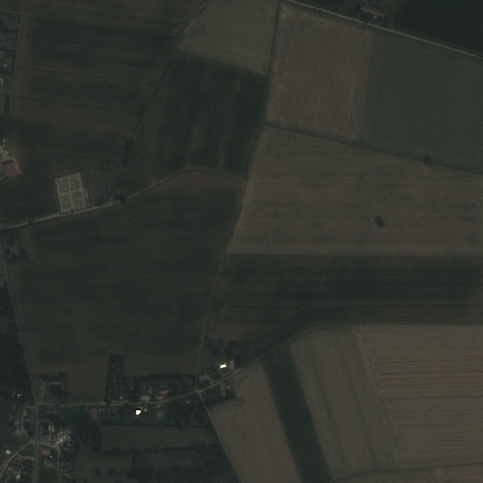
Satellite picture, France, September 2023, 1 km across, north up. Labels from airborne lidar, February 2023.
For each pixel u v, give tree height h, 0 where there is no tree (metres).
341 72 0
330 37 0
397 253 0
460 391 0
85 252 0
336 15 0
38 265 0
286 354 0
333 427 0
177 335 0
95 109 0
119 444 0
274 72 0
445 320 0
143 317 0
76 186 0
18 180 0
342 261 0
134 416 0
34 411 0
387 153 0
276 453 0
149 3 0
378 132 0
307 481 0
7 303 20
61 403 0
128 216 0
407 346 0
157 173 0
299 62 0
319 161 0
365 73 0
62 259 0
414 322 0
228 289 0
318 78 0
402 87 0
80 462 0
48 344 0
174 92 0
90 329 0
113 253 0
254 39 0
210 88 0
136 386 6
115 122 0
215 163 0
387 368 0
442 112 0
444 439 0
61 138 0
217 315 0
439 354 0
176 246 0
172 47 0
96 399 0
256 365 0
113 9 0
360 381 0
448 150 0
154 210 0
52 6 0
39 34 0
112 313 0
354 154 0
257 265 0
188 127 0
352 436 0
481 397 0
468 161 0
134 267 0
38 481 0
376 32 0
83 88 0
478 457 0
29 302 0
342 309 0
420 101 0
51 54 0
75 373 0
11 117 0
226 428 0
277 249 0
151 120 0
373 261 0
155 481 0
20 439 0
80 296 0
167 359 0
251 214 0
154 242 0
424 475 0
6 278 0
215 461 0
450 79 0
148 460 0
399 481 0
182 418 20
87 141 0
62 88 0
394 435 0
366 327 0
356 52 0
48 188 0
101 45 0
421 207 0
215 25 0
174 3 0
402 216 0
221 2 0
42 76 0
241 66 0
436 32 0
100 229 0
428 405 0
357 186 0
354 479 0
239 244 0
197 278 0
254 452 0
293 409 0
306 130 0
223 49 0
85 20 0
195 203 0
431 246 0
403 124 0
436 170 0
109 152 0
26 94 0
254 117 0
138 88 0
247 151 0
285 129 0
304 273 0
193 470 0
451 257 0
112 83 0
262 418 0
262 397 0
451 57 0
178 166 0
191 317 0
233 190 0
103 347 0
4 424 0
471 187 0
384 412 0
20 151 0
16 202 0
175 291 0
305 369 0
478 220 0
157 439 0
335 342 0
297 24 0
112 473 12
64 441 0
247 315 0
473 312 0
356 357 0
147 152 0
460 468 0
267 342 0
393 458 0
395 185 0
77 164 0
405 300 0
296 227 0
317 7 0
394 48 0
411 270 0
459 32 0
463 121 0
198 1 0
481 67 0
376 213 0
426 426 0
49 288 0
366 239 0
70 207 0
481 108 0
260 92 0
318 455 0
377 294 0
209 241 0
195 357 0
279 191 0
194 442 0
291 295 0
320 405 0
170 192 0
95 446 20
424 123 0
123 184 0
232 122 0
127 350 0
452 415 0
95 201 0
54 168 0
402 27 0
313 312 0
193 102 0
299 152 0
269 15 0
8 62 0
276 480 0
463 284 0
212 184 0
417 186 0
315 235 0
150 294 0
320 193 0
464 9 0
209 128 0
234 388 0
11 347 19
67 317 0
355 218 0
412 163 0
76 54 0
